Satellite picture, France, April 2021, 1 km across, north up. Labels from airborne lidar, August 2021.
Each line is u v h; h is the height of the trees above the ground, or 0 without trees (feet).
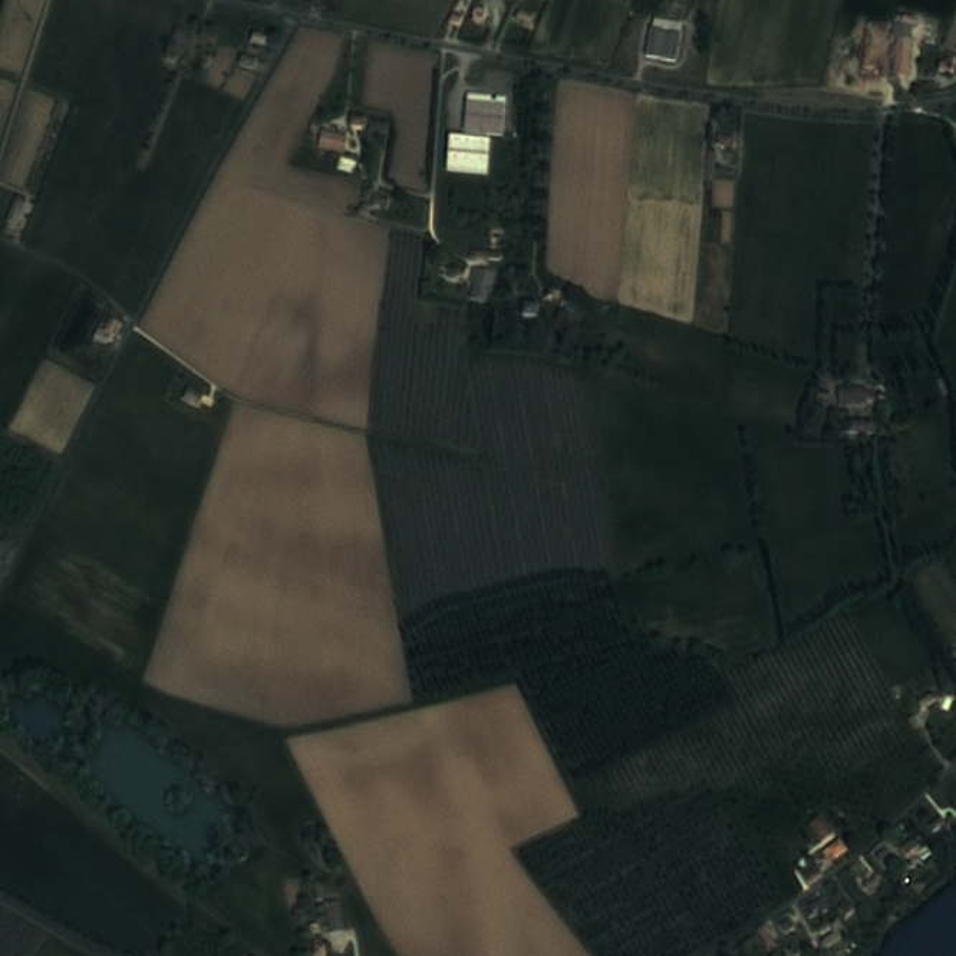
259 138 0
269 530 0
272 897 0
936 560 28
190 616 0
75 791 35
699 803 30
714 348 0
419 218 0
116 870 0
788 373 0
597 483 20
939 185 0
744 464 25
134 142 0
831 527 0
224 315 0
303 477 0
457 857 0
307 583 0
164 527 0
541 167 28
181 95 0
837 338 52
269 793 0
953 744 0
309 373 0
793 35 0
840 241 0
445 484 21
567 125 0
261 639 0
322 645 0
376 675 0
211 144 0
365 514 0
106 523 0
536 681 63
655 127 0
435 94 23
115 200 0
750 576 0
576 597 63
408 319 30
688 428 0
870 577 0
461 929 0
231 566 0
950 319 0
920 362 0
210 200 0
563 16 0
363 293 0
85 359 0
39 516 0
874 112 33
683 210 0
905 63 0
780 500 0
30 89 0
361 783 0
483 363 23
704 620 0
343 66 0
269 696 0
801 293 0
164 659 0
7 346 0
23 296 0
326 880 35
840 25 0
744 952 52
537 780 0
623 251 0
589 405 19
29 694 76
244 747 0
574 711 71
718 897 34
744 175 0
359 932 0
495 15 0
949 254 0
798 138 0
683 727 73
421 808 0
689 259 0
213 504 0
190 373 0
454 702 0
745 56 0
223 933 38
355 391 0
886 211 36
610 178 0
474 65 0
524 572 21
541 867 22
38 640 0
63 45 0
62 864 0
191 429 0
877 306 30
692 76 0
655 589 0
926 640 48
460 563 24
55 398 0
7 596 0
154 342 0
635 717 76
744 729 67
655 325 0
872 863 0
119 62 0
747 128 0
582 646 77
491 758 0
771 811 20
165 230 0
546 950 0
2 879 0
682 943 30
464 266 19
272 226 0
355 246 0
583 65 0
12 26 0
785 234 0
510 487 19
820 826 0
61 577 0
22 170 0
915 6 0
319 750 0
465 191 0
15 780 0
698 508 0
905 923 0
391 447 28
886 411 44
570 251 0
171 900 0
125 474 0
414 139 0
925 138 0
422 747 0
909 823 28
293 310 0
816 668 82
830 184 0
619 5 0
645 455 0
